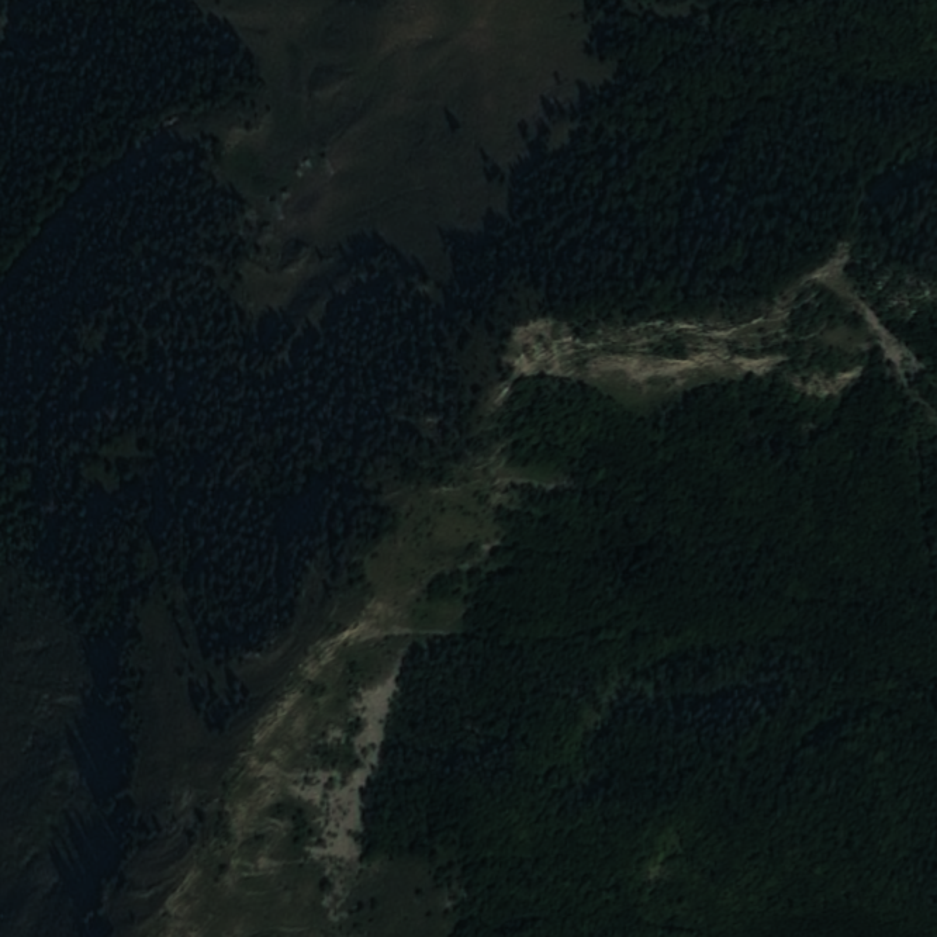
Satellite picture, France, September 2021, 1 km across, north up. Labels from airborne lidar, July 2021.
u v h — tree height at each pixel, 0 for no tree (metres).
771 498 26
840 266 0
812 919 20
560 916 20
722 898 22
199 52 7
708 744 25
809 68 23
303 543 21
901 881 25
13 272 0
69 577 16
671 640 23
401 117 0
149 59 24
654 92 20
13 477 18
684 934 24
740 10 20
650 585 30
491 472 7
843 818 24
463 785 19
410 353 20
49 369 26
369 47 0
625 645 20
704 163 14
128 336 11
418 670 12
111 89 22
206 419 20
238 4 0
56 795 0
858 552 24
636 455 25
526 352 10
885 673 27
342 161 0
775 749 18
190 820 0
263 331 0
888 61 23
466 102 0
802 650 30
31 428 20
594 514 24
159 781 0
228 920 0
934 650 24
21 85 24
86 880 0
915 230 17
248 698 11
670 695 9
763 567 31
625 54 8
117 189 8
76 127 26
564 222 14
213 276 8
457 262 6
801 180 21
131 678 9
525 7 0
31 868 0
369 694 0
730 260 19
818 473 28
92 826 0
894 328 21
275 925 0
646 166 15
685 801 18
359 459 19
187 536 11
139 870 0
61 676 0
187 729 0
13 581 0
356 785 0
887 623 28
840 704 17
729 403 19
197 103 15
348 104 0
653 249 13
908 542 27
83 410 6
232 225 10
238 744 0
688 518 26
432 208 0
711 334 33
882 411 23
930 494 25
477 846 20
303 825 6
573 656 26
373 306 16
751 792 22
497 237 8
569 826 19
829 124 21
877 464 29
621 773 24
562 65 0
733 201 15
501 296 15
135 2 24
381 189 0
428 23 0
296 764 0
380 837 17
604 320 12
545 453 22
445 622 0
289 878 0
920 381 18
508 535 13
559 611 28
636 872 9
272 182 0
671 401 6
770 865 24
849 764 26
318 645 8
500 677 28
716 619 28
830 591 29
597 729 8
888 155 19
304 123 0
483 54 0
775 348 10
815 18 22
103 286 14
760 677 24
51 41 15
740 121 16
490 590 21
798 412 21
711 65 20
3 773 0
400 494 0
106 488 0
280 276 0
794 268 13
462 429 15
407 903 0
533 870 18
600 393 18
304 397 27
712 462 26
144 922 0
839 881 24
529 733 25
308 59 0
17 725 0
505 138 0
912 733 26
